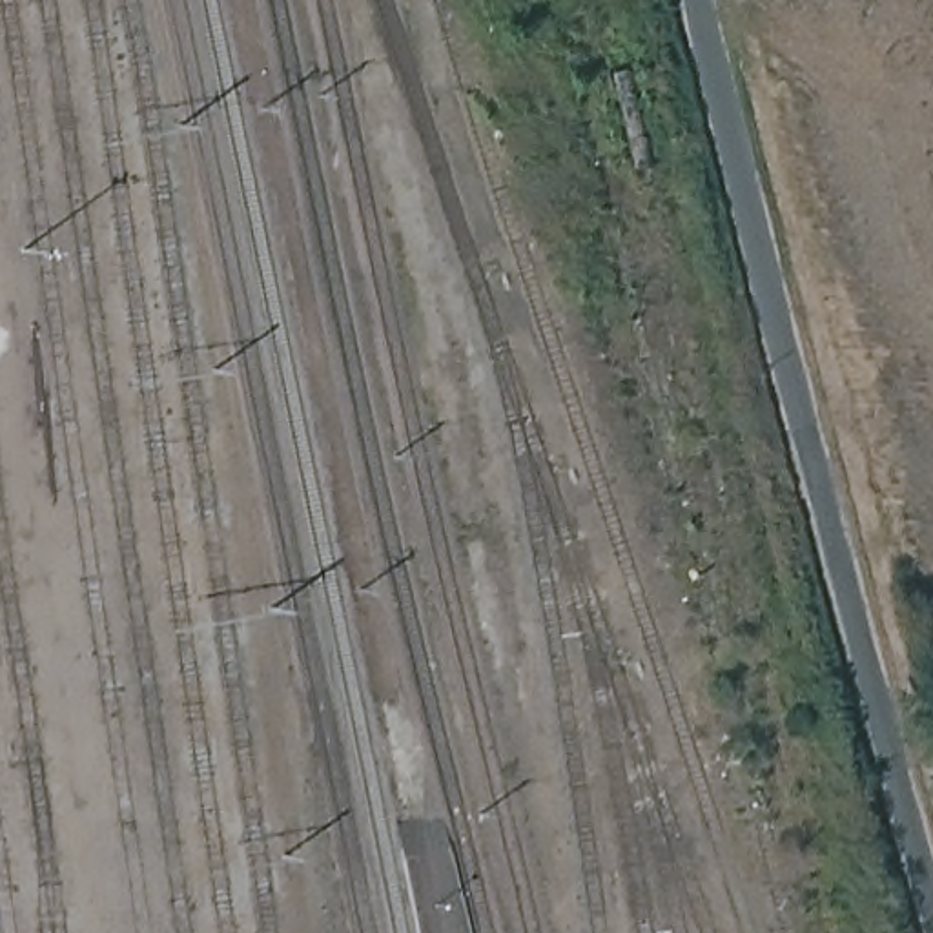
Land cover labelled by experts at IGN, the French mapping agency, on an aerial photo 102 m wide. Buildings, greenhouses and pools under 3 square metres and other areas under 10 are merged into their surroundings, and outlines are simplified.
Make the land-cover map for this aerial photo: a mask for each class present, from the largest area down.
<instances>
[{"label":"pervious surface","instance_id":"1","mask_svg":"<svg viewBox=\"0 0 933 933\"><path fill-rule=\"evenodd\" d=\"M474 87V73L459 51V29L448 18V0H0V933H802V918L791 907V900H798L795 882L776 878L769 867V853L780 849V838L765 820V805L747 795L751 784H762V776H751L743 769V758L722 754L733 725L740 722L733 707L714 703L711 678L703 671V649H692L682 634L689 616V594L678 590L671 576L667 547H660L656 536H649L638 521L634 477L623 467V456L609 448V437L601 430L598 390L587 372V357L576 343V332L583 328V292L558 288V277L547 262L543 244L532 237L528 219L514 215V200L507 197V175L514 171V160L503 146V131L485 117L481 106H474V98H467Z\"/></svg>","mask_w":933,"mask_h":933},{"label":"deciduous trees","instance_id":"2","mask_svg":"<svg viewBox=\"0 0 933 933\"><path fill-rule=\"evenodd\" d=\"M448 18L459 29V51L474 73V87L467 98H474V106H481L485 117L503 131V146L514 160V171L507 175V197L514 200V215L528 219L532 237L543 244L547 262L558 277V288L583 292V328L587 335H594V328L616 332L623 324L649 317L652 306L685 302L692 310V321L707 328H729L733 302H743V281L733 248V204L718 190V171H711V157L703 146V117L696 109V91L689 77V69H696V58L682 29L678 0H448ZM612 73H627L641 87V106H634V113L638 124L652 131L660 153V160L645 175H634L631 168V138L620 117ZM918 569L911 558L893 561V594L911 660V689L889 692L907 762L915 769H926L933 762V601L926 594H904L900 587ZM765 616L762 641L776 652L769 663H747L743 685H729V678L722 674L711 678L714 703L733 707L740 722L733 725L722 754L743 758V769L751 776H762V769H776V722L765 700V674L773 667L780 678H791V685H780V700L787 707L791 736H802L809 747L805 758H798L802 776L795 780V791H805L813 798L809 824L824 827L820 842L827 846V853H820V867L795 882L798 900H791V907L802 918V933H911L900 889L886 871L878 816L871 813L875 773L853 751V722L846 714L842 682L835 678L838 663H846V649L820 572H813L805 583H780L776 594H765L758 601Z\"/></svg>","mask_w":933,"mask_h":933},{"label":"herbaceous vegetation","instance_id":"3","mask_svg":"<svg viewBox=\"0 0 933 933\"><path fill-rule=\"evenodd\" d=\"M751 179L758 190L769 248L780 273L791 339L802 361L805 394L813 405L820 452L827 459L838 521L864 601L878 674L889 692L911 689V660L893 594V561L911 558L918 569L900 587L904 594H926L933 601V0H711ZM918 831H933V762L926 769H915L907 762Z\"/></svg>","mask_w":933,"mask_h":933},{"label":"brushwood","instance_id":"4","mask_svg":"<svg viewBox=\"0 0 933 933\"><path fill-rule=\"evenodd\" d=\"M620 117L631 138V168L634 175H645L660 160V153L652 131L638 124L634 113V106H641V87L627 73H612ZM692 310L685 302L652 306L649 317L623 324L616 332L594 328V335H587L583 328L576 332V343L587 357V372L598 390L601 430L609 437V448L623 456V467L634 477L638 521L649 536H656L660 547H667L671 576L678 590L689 594V616L682 634L692 649H703V671L711 678L722 674L729 678V685H743L747 663H769L776 652L762 641L765 616L758 601L765 594H776L780 583H805L813 572H820V554L798 488L791 441L780 419L773 372L765 361V346L754 343L751 313L743 302H733L729 328H707L692 321ZM780 685H791V678H780L773 667L765 674V700L776 722V769H762V784H751L747 795L765 805V820L780 838V849L769 853V867L776 878L795 882L820 867V853H827V846L820 842L824 827L809 824L813 798L805 791H795V780L802 776L798 758H805L809 747L802 736H791L787 707L780 700Z\"/></svg>","mask_w":933,"mask_h":933},{"label":"impervious surface","instance_id":"5","mask_svg":"<svg viewBox=\"0 0 933 933\"><path fill-rule=\"evenodd\" d=\"M682 29L696 58V69H689V77L696 91V109L703 117V146L711 157V171H718V190L733 204V248L743 281V302L751 313L754 343L765 346V361L773 372L780 419L791 441L798 488L820 554V572L846 649V663H838L835 678L842 682L846 714L853 722V751L875 773L871 813L878 816L886 871L900 889L911 933H933V831H918L907 762L889 692L878 674L864 601L838 521L827 459L820 452L813 405L805 394L802 361L791 339L780 273L769 248L758 190L751 179L711 0H678Z\"/></svg>","mask_w":933,"mask_h":933}]
</instances>
